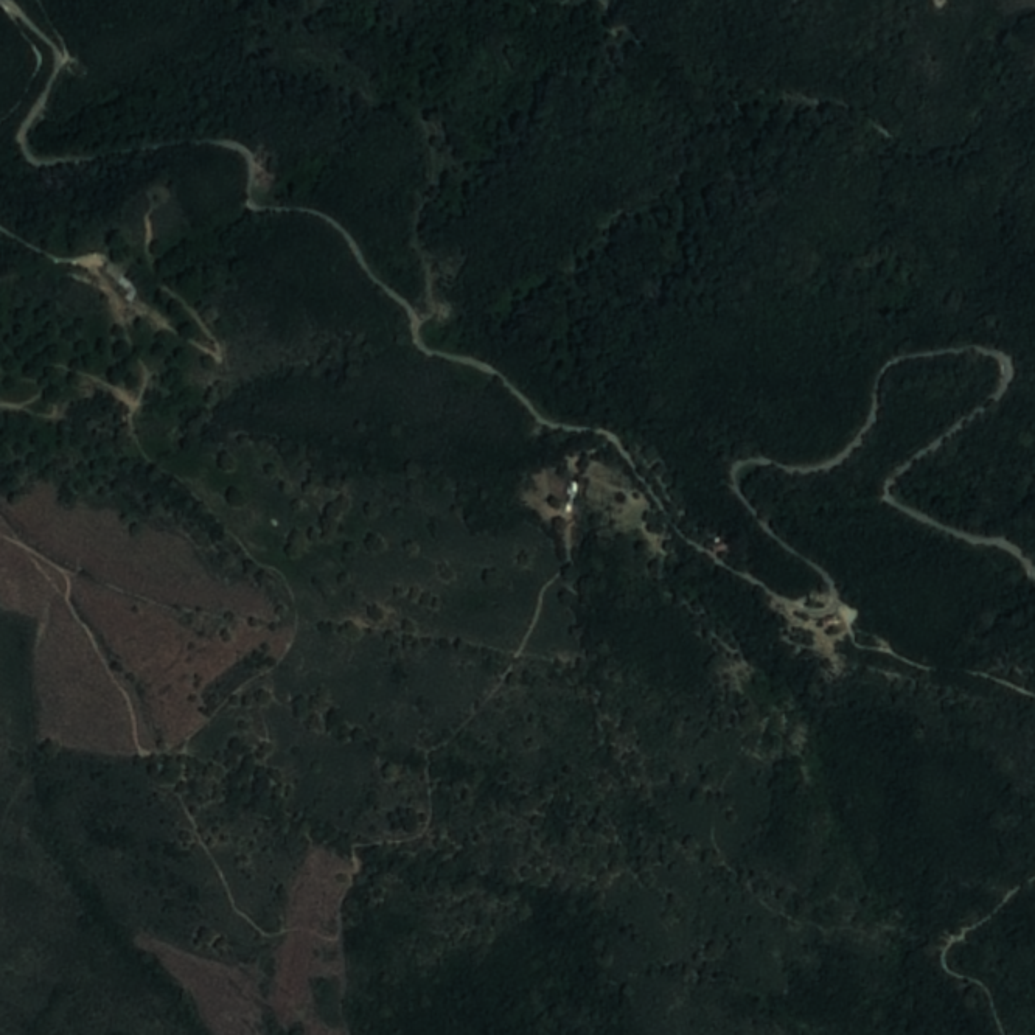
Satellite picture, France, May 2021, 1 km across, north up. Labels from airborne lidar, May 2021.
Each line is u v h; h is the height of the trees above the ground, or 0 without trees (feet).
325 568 0
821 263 38
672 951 0
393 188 32
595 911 26
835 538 31
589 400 21
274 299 21
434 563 0
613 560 30
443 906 22
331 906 0
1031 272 62
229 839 28
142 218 0
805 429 20
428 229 46
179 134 26
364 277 30
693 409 32
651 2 36
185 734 0
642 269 44
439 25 54
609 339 41
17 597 0
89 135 63
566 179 32
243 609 0
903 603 26
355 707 0
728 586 42
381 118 59
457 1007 29
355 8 31
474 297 46
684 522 30
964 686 17
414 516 0
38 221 44
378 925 21
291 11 39
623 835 21
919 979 31
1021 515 48
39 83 25
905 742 29
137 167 48
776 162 31
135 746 0
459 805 20
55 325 33
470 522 40
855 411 34
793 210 21
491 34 62
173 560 0
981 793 22
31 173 41
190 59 57
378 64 45
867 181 26
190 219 21
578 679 27
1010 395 19
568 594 42
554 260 41
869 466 27
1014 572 38
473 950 25
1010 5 0
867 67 48
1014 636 29
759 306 30
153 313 0
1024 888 32
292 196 34
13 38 17
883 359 25
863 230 33
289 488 31
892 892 23
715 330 31
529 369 30
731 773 0
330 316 22
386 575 0
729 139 49
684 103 70
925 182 39
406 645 25
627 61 62
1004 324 19
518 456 20
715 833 0
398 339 38
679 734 30
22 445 51
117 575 0
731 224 52
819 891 19
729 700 22
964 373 25
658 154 38
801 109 27
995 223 65
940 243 34
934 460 23
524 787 28
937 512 28
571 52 44
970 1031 31
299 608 0
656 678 23
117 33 22
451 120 47
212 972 0
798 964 18
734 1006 20
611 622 28
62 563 0
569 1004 28
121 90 31
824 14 18
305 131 24
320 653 0
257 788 49
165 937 0
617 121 43
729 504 36
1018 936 34
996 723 29
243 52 62
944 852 29
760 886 27
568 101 34
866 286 41
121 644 0
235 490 33
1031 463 29
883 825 19
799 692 24
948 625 19
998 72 30
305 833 37
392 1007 33
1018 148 25
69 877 22
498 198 33
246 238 32
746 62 53
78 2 37
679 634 28
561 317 36
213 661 0
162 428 0
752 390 28
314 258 25
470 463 26
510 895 35
